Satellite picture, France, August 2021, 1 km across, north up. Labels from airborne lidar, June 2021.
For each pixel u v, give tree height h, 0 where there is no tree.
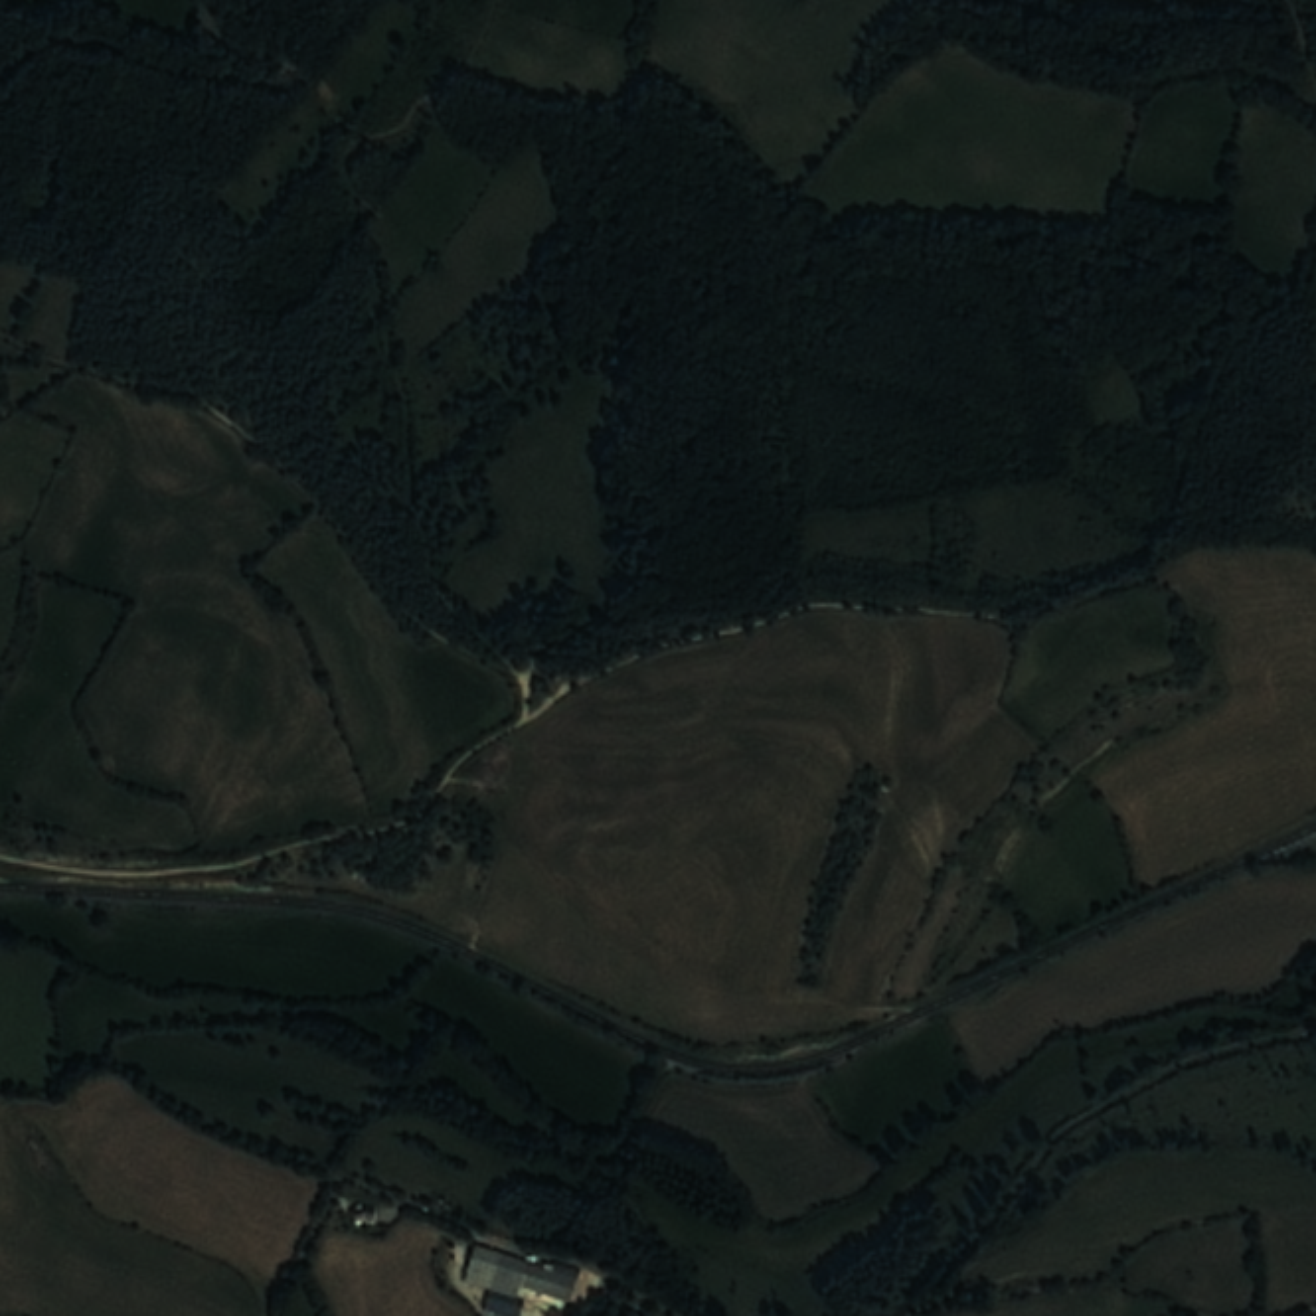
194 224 17
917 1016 0
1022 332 8
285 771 0
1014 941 0
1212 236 16
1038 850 0
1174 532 15
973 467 8
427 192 0
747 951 0
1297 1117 0
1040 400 9
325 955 0
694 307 26
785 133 0
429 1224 7
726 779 0
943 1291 12
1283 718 0
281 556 0
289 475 7
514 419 23
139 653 0
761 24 0
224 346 7
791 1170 0
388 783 0
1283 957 0
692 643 9
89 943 0
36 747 0
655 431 32
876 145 0
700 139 25
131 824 0
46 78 20
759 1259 0
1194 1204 0
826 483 8
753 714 0
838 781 0
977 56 13
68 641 0
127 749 0
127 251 13
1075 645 0
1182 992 0
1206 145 0
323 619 0
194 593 0
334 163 12
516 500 0
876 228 26
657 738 0
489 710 0
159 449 0
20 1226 0
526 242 0
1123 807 0
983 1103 26
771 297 26
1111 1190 0
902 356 11
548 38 0
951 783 0
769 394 29
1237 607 0
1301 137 0
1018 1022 0
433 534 13
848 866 10
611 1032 13
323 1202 9
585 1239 13
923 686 0
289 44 15
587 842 0
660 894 0
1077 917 0
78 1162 0
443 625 12
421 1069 21
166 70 21
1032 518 0
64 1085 19
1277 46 15
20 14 22
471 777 0
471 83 23
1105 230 21
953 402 10
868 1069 0
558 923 0
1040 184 0
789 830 0
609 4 0
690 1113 0
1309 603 0
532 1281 0
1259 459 16
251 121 22
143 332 16
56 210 14
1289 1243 0
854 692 0
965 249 21
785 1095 0
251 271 10
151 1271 0
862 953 0
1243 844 0
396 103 0
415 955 0
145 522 0
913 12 18
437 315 0
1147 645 0
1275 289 13
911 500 7
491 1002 0
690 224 21
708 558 26
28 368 12
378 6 16
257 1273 0
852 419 9
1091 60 23
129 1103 0
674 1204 10
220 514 0
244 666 0
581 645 9
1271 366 20
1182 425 19
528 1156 19
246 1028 12
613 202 30
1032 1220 12
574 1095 0
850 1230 0
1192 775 0
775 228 27
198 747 0
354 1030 16
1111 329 24
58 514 0
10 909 0
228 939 0
